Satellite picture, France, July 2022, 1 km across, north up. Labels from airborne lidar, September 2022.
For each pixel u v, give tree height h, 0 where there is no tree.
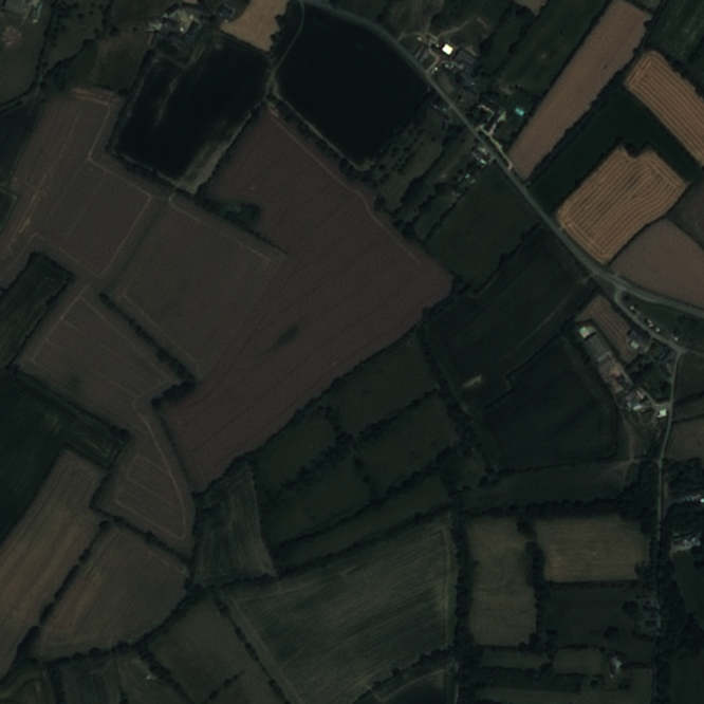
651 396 6
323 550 0
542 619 9
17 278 7
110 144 9
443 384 9
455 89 0
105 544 0
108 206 0
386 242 0
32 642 11
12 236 0
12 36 0
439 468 7
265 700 0
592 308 0
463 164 0
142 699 0
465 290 13
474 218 0
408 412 6
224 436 0
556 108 0
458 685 9
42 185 0
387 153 7
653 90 0
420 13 0
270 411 0
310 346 0
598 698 0
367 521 0
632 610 16
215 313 0
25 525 0
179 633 0
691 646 23
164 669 8
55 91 0
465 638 8
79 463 0
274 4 0
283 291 0
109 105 0
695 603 0
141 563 0
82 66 0
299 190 0
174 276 0
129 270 0
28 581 0
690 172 0
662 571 17
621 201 0
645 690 0
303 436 0
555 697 0
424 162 0
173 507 0
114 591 0
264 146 0
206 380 0
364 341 0
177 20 0
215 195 0
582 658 0
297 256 0
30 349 0
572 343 7
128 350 0
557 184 0
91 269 0
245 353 0
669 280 0
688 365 0
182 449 0
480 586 0
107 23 13
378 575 0
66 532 0
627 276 0
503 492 0
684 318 7
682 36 0
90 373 0
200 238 0
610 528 0
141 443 0
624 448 0
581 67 0
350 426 0
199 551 6
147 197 0
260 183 0
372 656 0
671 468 8
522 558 0
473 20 0
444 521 0
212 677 0
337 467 21
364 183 15
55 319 0
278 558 15
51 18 7
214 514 11
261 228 0
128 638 0
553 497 0
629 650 0
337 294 0
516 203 0
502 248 0
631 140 0
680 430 0
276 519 0
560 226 0
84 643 0
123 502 0
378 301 0
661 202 0
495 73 6
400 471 0
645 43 7
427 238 6
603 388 8
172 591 0
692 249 0
